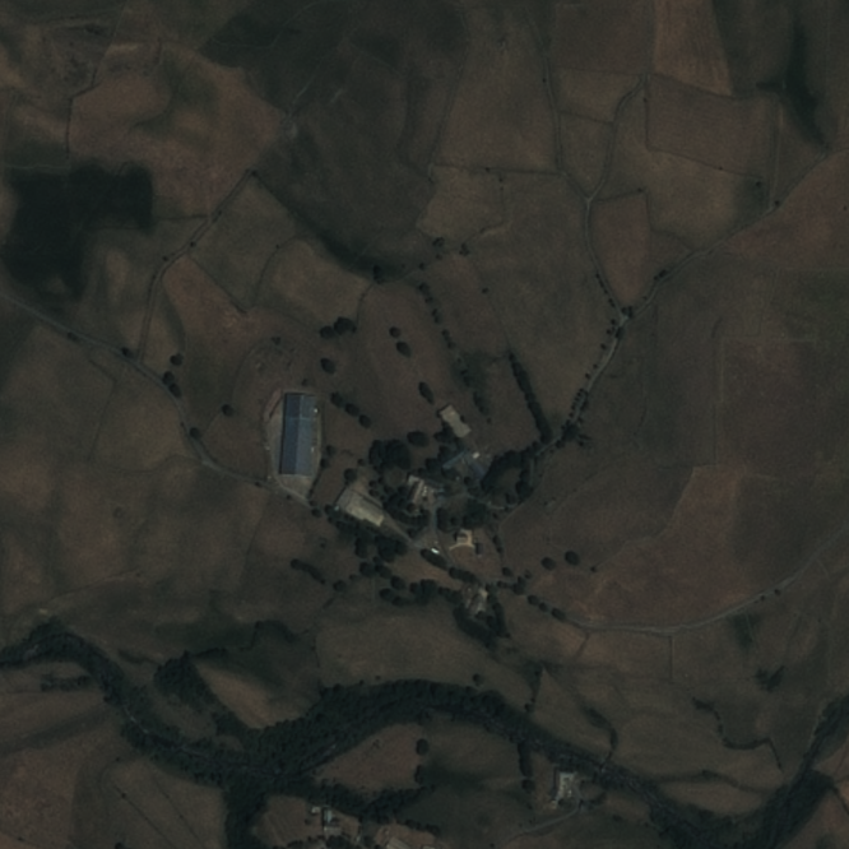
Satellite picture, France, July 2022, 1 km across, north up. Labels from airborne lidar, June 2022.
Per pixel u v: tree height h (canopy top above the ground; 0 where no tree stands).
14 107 0
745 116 0
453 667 0
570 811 0
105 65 0
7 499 0
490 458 0
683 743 0
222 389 0
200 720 0
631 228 0
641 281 0
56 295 0
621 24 0
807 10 0
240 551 0
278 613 0
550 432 14
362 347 0
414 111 0
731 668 0
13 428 0
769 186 0
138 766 0
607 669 0
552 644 0
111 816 0
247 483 0
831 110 0
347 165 0
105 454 0
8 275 0
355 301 0
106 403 0
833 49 0
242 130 0
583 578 0
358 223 0
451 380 0
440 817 0
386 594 15
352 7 0
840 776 0
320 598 0
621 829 0
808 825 0
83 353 0
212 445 0
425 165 0
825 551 0
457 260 0
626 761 0
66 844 0
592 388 0
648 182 0
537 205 0
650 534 0
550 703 0
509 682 0
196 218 0
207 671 0
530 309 0
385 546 17
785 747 0
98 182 0
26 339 0
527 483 10
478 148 0
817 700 0
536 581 0
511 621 0
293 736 7
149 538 0
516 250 0
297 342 0
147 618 0
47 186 0
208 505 0
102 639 0
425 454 0
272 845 0
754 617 0
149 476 0
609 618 0
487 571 0
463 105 0
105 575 0
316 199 0
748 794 0
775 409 0
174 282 0
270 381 0
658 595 0
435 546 0
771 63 0
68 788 0
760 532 0
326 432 0
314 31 0
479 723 7
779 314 0
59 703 0
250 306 0
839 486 0
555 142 0
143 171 0
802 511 0
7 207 0
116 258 0
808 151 0
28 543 0
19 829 0
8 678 0
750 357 0
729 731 0
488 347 0
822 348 0
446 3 0
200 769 10
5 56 0
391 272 0
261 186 0
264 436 0
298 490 0
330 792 8
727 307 0
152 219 0
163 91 0
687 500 0
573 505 0
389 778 0
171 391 9
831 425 0
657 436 0
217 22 0
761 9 0
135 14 0
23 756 0
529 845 0
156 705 0
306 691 0
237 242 0
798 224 0
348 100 0
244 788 6
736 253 0
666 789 0
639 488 0
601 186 0
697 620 0
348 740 10
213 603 0
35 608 0
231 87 0
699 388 0
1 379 0
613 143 0
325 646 0
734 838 0
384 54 0
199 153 0
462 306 0
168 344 0
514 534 0
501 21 0
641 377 0
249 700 0
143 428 0
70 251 0
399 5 0
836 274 0
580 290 0
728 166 0
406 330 0
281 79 0
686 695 0
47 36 0
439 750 0
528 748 15
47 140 0
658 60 0
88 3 0
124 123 0
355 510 0
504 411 0
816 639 0
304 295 0
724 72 0
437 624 0
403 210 0
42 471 0
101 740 0
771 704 0
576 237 0
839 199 0
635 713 0
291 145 0
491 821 0
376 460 12
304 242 0
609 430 0
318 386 0
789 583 0
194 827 0
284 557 0
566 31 0
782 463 0
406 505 11
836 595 0
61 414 0
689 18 0
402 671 0
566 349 0
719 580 0
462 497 0
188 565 0
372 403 0
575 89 0
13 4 0
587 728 0
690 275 0
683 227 0
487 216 0
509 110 0
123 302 0
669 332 0
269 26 0
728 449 0
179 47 0
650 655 0
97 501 0
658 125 0
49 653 9
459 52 0
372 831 0
